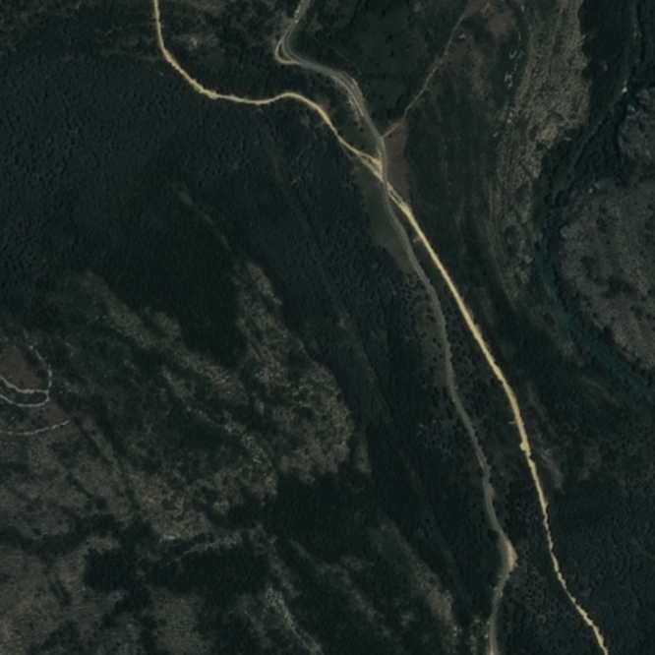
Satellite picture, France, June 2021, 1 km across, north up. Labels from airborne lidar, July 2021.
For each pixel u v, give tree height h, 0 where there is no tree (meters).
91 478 0
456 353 8
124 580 15
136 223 7
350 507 10
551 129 0
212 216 7
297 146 11
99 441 0
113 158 12
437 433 13
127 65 11
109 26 8
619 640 12
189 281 7
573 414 9
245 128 10
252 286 7
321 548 9
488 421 9
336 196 12
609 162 15
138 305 9
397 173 0
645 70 10
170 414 5
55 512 0
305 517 13
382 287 13
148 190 8
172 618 0
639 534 11
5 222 11
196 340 7
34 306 9
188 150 12
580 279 0
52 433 0
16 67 7
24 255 13
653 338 0
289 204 8
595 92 13
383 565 8
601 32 9
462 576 8
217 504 0
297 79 7
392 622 9
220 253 8
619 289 9
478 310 7
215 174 14
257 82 9
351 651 6
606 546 15
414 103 0
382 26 0
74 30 8
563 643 12
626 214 0
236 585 10
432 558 14
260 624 0
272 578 7
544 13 0
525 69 0
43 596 0
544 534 8
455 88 0
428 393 15
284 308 11
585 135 16
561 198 15
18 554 0
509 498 12
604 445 7
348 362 12
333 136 7
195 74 12
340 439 0
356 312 13
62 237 11
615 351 8
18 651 0
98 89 10
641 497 12
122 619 0
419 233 0
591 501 12
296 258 12
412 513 14
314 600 8
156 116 8
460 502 11
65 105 12
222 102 11
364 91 9
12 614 0
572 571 14
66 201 10
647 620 12
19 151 17
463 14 0
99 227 12
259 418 6
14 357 0
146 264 7
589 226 0
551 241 15
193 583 6
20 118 13
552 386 10
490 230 0
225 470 0
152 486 0
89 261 9
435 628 8
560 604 9
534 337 9
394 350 11
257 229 15
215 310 7
